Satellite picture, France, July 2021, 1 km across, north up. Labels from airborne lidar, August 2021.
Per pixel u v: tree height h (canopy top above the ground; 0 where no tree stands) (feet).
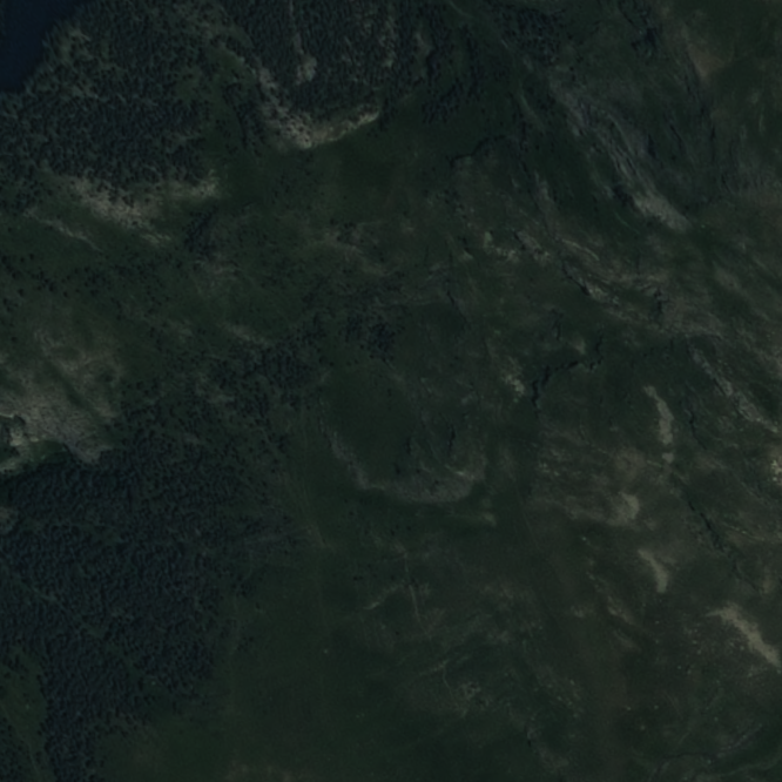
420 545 0
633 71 0
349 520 0
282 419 0
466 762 0
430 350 0
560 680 0
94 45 27
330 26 29
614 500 0
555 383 0
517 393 0
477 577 0
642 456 0
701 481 0
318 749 0
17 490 53
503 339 0
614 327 0
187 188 0
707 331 0
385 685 0
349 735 0
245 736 0
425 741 0
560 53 21
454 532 0
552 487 0
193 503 31
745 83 0
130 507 48
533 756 0
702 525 0
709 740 0
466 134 0
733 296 0
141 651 45
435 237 0
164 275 0
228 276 0
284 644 0
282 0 27
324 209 0
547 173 0
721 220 0
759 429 0
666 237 0
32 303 0
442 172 0
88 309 0
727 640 0
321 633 0
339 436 0
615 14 0
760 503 0
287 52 19
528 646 0
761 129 0
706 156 0
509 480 0
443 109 29
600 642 0
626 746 0
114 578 50
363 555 0
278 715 0
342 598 0
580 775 0
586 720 0
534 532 0
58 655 46
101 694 42
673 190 0
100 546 53
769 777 0
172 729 0
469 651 0
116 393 0
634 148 0
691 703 0
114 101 31
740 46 0
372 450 0
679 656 0
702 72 0
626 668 0
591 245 0
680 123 0
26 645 36
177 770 0
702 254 0
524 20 24
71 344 0
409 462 0
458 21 0
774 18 0
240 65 0
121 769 0
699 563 0
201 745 0
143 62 22
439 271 0
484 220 0
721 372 0
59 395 0
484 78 30
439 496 0
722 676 0
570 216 0
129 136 32
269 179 0
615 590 0
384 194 0
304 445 0
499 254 0
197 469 26
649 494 0
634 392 0
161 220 0
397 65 24
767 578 0
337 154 0
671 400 0
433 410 0
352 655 0
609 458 0
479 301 0
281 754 0
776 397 0
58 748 30
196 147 27
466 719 0
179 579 50
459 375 0
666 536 0
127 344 0
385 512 0
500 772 0
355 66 23
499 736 0
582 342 0
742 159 0
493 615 0
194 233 26
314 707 0
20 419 0
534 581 0
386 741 0
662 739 0
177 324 0
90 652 33
